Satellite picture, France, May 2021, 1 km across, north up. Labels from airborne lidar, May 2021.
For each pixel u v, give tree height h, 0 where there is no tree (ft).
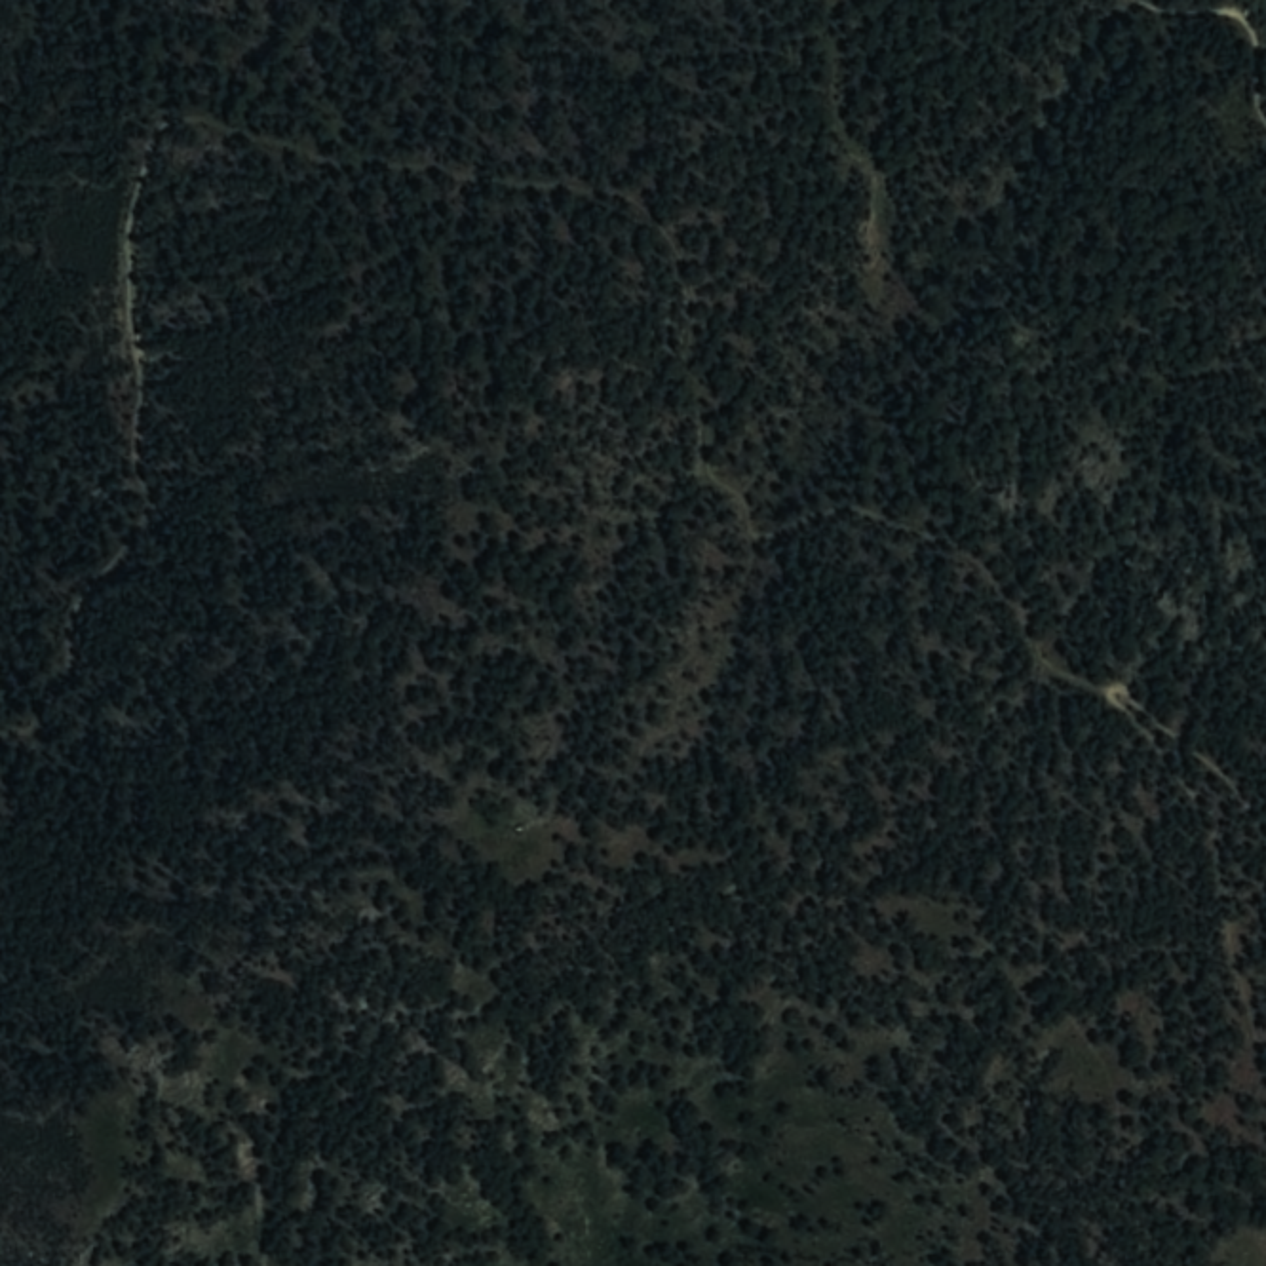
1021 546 50
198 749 63
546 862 0
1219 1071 83
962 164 63
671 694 65
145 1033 46
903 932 71
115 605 69
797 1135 0
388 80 76
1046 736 72
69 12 52
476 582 89
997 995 101
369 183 50
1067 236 43
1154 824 76
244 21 55
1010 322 41
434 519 78
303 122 37
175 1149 49
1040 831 61
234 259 71
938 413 70
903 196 61
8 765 58
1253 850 73
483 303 73
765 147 81
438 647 44
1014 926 65
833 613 72
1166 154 66
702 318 74
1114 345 58
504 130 89
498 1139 85
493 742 67
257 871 57
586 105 92
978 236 106
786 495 64
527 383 62
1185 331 108
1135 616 36
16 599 73
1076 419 45
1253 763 80
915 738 75
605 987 90
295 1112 83
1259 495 52
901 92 110
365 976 31
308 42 22
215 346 59
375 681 52
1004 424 88
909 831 76
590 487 66
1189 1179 87
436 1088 56
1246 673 68
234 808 40
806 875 88
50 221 41
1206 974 77
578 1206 0
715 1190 73
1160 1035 56
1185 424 78
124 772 78
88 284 65
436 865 65
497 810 24
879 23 97
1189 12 94
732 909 72
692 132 57
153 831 68
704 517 85
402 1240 56
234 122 67
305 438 55
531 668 83
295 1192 103
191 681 78
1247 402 63
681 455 78
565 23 66
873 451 73
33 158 65
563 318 73
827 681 61
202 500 77
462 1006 53
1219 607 75
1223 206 58
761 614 73
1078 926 77
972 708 64
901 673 67
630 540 75
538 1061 88
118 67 73
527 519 70
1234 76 67
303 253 51
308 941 64
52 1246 21
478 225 86
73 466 63
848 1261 20
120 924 66
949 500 71
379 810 55
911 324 63
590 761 73
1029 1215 64
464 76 88
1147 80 85
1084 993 52
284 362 49
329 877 52
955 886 35
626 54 52
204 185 65
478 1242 63
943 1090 82
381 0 67
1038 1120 92
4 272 77
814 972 87
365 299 66
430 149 88
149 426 55
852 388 44
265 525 73
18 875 64
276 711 61
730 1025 53
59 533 76
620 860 0
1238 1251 0
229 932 67
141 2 80
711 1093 0
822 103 84
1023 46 79
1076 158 84
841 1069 58
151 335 54
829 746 66
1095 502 62
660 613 78
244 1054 0
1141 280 95
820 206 108
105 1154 0
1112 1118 97
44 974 54
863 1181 0
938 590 71
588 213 67
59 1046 74
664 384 77
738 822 70
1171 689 71
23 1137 18
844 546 83
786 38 49
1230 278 113
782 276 77
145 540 77
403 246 70
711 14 60
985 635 77
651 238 81
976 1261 0
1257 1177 80
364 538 83
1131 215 109
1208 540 70
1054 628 82
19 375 91
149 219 48
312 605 53
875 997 84
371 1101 89
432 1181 64
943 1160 52
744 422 79
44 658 82
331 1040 79
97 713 57
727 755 75
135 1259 28
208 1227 50
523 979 90
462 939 65
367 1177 62
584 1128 67
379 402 62
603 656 83
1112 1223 87
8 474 94
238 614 66
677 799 39
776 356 69
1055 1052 31
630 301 65
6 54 60
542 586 77
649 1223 0
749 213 76
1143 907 76
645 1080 61
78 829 91
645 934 68
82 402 68
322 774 55
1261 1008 74
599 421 58
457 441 81
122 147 45
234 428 54
